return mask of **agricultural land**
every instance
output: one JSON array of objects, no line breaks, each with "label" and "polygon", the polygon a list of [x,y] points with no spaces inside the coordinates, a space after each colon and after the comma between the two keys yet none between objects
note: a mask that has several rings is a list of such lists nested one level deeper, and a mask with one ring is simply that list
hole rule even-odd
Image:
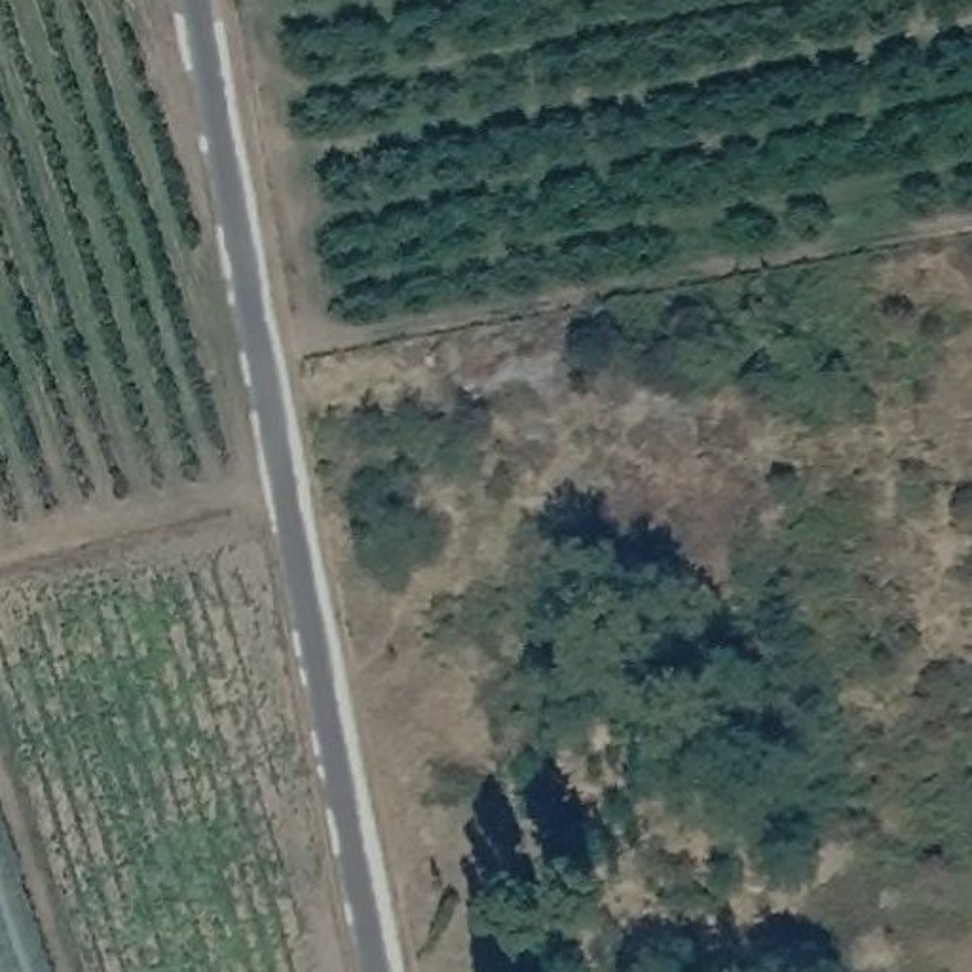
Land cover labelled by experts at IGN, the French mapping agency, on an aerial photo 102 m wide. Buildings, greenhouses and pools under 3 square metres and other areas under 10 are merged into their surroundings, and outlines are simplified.
[{"label": "agricultural land", "polygon": [[323,744],[311,714],[311,683],[304,668],[304,642],[296,630],[292,589],[285,577],[281,528],[273,532],[266,524],[262,509],[251,440],[251,421],[258,418],[254,380],[247,383],[239,376],[213,399],[228,444],[213,448],[209,437],[194,444],[201,459],[197,478],[156,486],[144,497],[114,497],[114,486],[106,494],[91,490],[84,497],[76,505],[57,505],[53,513],[46,513],[38,520],[19,520],[4,516],[0,505],[0,801],[57,972],[361,972],[353,904],[342,877],[342,835],[334,809],[327,801]]}]

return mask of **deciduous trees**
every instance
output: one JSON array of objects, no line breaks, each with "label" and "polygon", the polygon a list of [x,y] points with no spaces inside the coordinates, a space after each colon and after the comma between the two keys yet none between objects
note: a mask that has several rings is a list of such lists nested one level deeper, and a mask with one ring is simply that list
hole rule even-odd
[{"label": "deciduous trees", "polygon": [[[649,80],[661,68],[740,57],[752,46],[778,46],[794,34],[828,38],[869,30],[873,42],[885,42],[907,34],[911,11],[930,15],[938,23],[938,34],[911,38],[907,49],[900,49],[888,61],[877,49],[869,57],[858,57],[854,49],[824,49],[816,57],[759,61],[756,68],[718,72],[699,84],[649,87],[645,99],[589,99],[577,106],[570,99],[573,84],[592,87],[608,76]],[[463,65],[456,65],[452,72],[440,68],[418,76],[387,76],[387,57],[433,53],[448,38],[456,42],[456,49],[463,49]],[[402,186],[418,175],[437,171],[505,171],[528,163],[539,152],[547,156],[551,171],[539,178],[535,197],[528,197],[524,182],[505,182],[497,190],[459,186],[433,190],[429,197],[387,201],[376,213],[342,213],[323,220],[315,228],[315,254],[334,292],[327,315],[342,323],[376,323],[406,311],[478,304],[490,292],[539,292],[558,285],[581,285],[604,273],[638,273],[664,266],[676,258],[676,232],[661,224],[619,224],[608,232],[566,235],[562,243],[547,247],[535,243],[539,232],[592,220],[611,209],[702,205],[714,201],[721,186],[775,190],[786,197],[786,209],[778,213],[767,213],[752,201],[729,205],[725,216],[714,220],[714,239],[721,243],[721,254],[748,254],[816,239],[824,232],[824,220],[832,220],[832,205],[824,197],[828,182],[851,175],[896,171],[896,205],[911,220],[972,209],[972,0],[395,0],[391,8],[380,8],[376,23],[277,34],[281,65],[296,76],[308,76],[315,68],[353,68],[349,84],[308,87],[315,103],[289,122],[292,137],[353,133],[365,125],[376,140],[353,152],[353,167],[334,167],[319,178],[323,201],[349,197],[349,190],[361,182]]]},{"label": "deciduous trees", "polygon": [[99,30],[87,11],[87,0],[0,0],[0,505],[4,516],[19,520],[19,490],[11,482],[8,463],[19,456],[27,456],[34,494],[46,513],[53,513],[57,505],[42,444],[57,433],[72,486],[84,497],[91,490],[106,494],[114,486],[114,497],[144,497],[156,486],[197,478],[201,459],[194,444],[209,437],[213,448],[228,444],[213,399],[205,368],[197,361],[197,338],[190,330],[182,289],[163,247],[156,209],[148,201],[148,186],[129,152],[125,125],[114,110],[114,91],[106,80]]},{"label": "deciduous trees", "polygon": [[133,76],[144,76],[148,68],[125,0],[110,0]]},{"label": "deciduous trees", "polygon": [[748,968],[714,972],[854,972],[854,968],[847,957],[843,957],[824,961],[816,945],[790,942]]},{"label": "deciduous trees", "polygon": [[[699,634],[714,611],[725,611],[721,592],[706,592],[687,577],[672,577],[653,562],[623,566],[608,543],[562,539],[558,562],[547,573],[547,585],[539,589],[547,596],[547,611],[558,634],[554,642],[528,642],[520,653],[520,661],[528,668],[539,668],[543,676],[535,687],[543,718],[535,725],[558,748],[581,752],[592,744],[592,725],[608,725],[611,737],[630,740],[623,786],[611,786],[604,797],[585,801],[589,813],[581,851],[573,851],[570,858],[547,858],[543,866],[535,866],[532,881],[497,869],[482,892],[471,892],[467,934],[494,938],[505,957],[535,953],[547,942],[547,934],[577,938],[581,926],[604,926],[604,904],[604,888],[592,866],[615,862],[623,851],[634,851],[642,885],[661,900],[661,911],[653,919],[691,915],[702,923],[718,923],[718,911],[733,900],[733,888],[740,888],[744,869],[759,869],[767,885],[794,888],[816,873],[824,843],[824,835],[835,824],[847,824],[851,797],[869,797],[877,790],[873,775],[854,775],[851,759],[828,744],[835,729],[828,706],[839,699],[839,695],[824,695],[816,683],[771,683],[771,672],[794,668],[797,649],[813,642],[813,626],[805,626],[794,615],[790,600],[782,596],[782,581],[790,577],[786,566],[767,577],[756,611],[733,615],[733,626],[748,634],[748,642],[759,649],[756,661],[740,661],[733,649],[710,649],[699,672],[657,672],[645,657],[661,638]],[[699,813],[710,820],[737,824],[752,832],[752,843],[737,847],[733,854],[710,851],[702,858],[664,851],[661,839],[638,832],[634,805],[642,797],[664,797],[672,816]]]},{"label": "deciduous trees", "polygon": [[402,592],[410,573],[437,562],[448,539],[448,520],[437,509],[414,505],[421,475],[459,482],[471,471],[478,471],[482,456],[478,437],[490,429],[494,418],[490,410],[456,406],[433,410],[410,391],[383,406],[353,406],[353,440],[391,444],[399,456],[353,471],[342,501],[346,513],[357,566],[380,589]]},{"label": "deciduous trees", "polygon": [[683,972],[683,964],[695,957],[695,945],[687,938],[649,938],[638,949],[623,938],[615,949],[619,972]]},{"label": "deciduous trees", "polygon": [[159,95],[148,87],[140,91],[140,114],[152,129],[163,186],[178,216],[182,239],[197,247],[201,224],[190,205],[186,171],[175,156]]},{"label": "deciduous trees", "polygon": [[57,972],[0,801],[0,972]]}]

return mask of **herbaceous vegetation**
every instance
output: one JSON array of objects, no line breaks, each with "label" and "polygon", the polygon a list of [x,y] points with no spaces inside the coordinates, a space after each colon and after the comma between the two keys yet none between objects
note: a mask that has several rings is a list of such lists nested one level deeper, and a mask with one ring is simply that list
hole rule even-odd
[{"label": "herbaceous vegetation", "polygon": [[972,311],[972,266],[957,270],[949,254],[911,254],[877,266],[877,289],[885,296],[896,292],[915,304],[945,300],[953,308]]},{"label": "herbaceous vegetation", "polygon": [[683,972],[714,972],[748,968],[790,942],[816,945],[824,961],[843,957],[828,926],[794,915],[809,900],[809,892],[828,885],[851,862],[851,843],[824,843],[816,873],[794,888],[767,885],[759,869],[744,869],[740,888],[733,888],[733,900],[718,911],[718,923],[702,923],[691,915],[653,919],[661,911],[661,900],[642,885],[634,851],[623,851],[615,862],[592,866],[604,888],[604,904],[615,915],[630,919],[623,938],[638,949],[649,938],[687,938],[695,945],[695,957],[683,964]]},{"label": "herbaceous vegetation", "polygon": [[869,57],[877,49],[888,61],[900,49],[907,49],[911,38],[938,34],[938,23],[930,15],[911,11],[907,34],[885,42],[873,42],[869,30],[828,38],[794,34],[778,46],[752,46],[740,57],[661,68],[649,80],[608,76],[592,87],[573,84],[570,99],[577,106],[589,99],[645,99],[649,87],[699,84],[718,72],[756,68],[759,61],[816,57],[824,49],[854,49],[858,57]]},{"label": "herbaceous vegetation", "polygon": [[657,672],[699,672],[710,649],[733,649],[740,661],[756,661],[759,649],[748,642],[748,634],[733,626],[733,615],[725,611],[714,611],[699,634],[661,638],[645,657]]},{"label": "herbaceous vegetation", "polygon": [[19,490],[19,520],[38,520],[46,513],[34,494],[27,456],[19,456],[8,463],[11,482]]},{"label": "herbaceous vegetation", "polygon": [[[729,205],[752,201],[767,213],[778,213],[786,209],[786,197],[775,190],[721,186],[714,201],[702,205],[611,209],[592,220],[539,232],[535,243],[547,247],[562,243],[566,235],[608,232],[619,224],[661,224],[676,232],[676,258],[664,266],[638,273],[604,273],[581,285],[558,285],[539,292],[490,292],[478,304],[406,311],[376,323],[342,323],[327,315],[334,292],[315,254],[315,228],[323,220],[342,213],[376,213],[387,201],[429,197],[433,190],[459,186],[497,190],[505,182],[524,182],[528,197],[535,197],[539,178],[551,171],[547,156],[539,152],[528,163],[505,171],[437,171],[418,175],[402,186],[361,182],[349,190],[349,197],[323,201],[319,178],[334,167],[353,167],[353,152],[376,140],[365,125],[353,133],[292,137],[289,122],[315,103],[308,87],[349,84],[353,68],[315,68],[308,76],[296,76],[281,65],[277,34],[376,23],[380,8],[391,8],[395,0],[209,0],[213,27],[228,23],[239,118],[270,258],[273,308],[281,323],[300,418],[319,406],[353,406],[383,406],[410,391],[433,410],[456,406],[459,387],[471,395],[486,395],[505,383],[532,383],[543,395],[543,410],[494,418],[490,429],[513,444],[547,444],[554,456],[543,471],[520,471],[509,497],[486,494],[490,475],[497,467],[497,452],[482,456],[478,471],[471,471],[459,482],[421,475],[414,505],[437,509],[448,520],[448,539],[437,562],[410,573],[402,592],[380,589],[357,566],[346,513],[334,501],[323,501],[319,494],[311,497],[406,972],[585,972],[577,938],[547,934],[547,942],[535,953],[505,957],[494,938],[467,934],[471,892],[482,892],[497,869],[532,881],[535,866],[543,866],[547,858],[570,858],[573,851],[581,851],[589,813],[585,801],[604,797],[611,786],[623,786],[630,740],[611,737],[608,725],[592,725],[592,744],[581,752],[558,748],[558,759],[551,759],[524,790],[516,786],[505,794],[497,778],[490,778],[490,725],[482,706],[475,702],[475,691],[482,680],[494,676],[494,664],[475,645],[440,649],[437,642],[425,642],[425,611],[437,592],[463,592],[471,581],[505,581],[505,551],[528,509],[539,509],[539,532],[547,539],[562,539],[608,543],[623,566],[653,562],[672,577],[687,577],[706,592],[721,592],[729,577],[729,543],[740,539],[740,520],[759,516],[763,535],[775,535],[778,520],[786,516],[775,501],[767,467],[805,467],[816,459],[816,444],[832,440],[839,463],[847,471],[858,467],[866,482],[873,482],[877,490],[877,547],[888,551],[888,566],[907,577],[919,623],[919,645],[896,657],[892,676],[843,687],[839,695],[839,699],[843,706],[858,706],[866,721],[892,725],[915,702],[923,664],[938,657],[972,661],[972,543],[968,535],[953,535],[953,513],[945,494],[934,494],[926,516],[896,516],[896,475],[930,467],[934,478],[972,482],[972,327],[964,334],[945,338],[945,365],[938,365],[930,395],[923,402],[911,399],[907,406],[881,406],[873,425],[847,425],[824,433],[813,433],[801,421],[775,421],[767,414],[767,402],[740,395],[737,387],[714,399],[672,399],[638,387],[619,368],[608,368],[596,380],[589,380],[585,391],[573,391],[562,353],[566,330],[581,315],[585,296],[596,296],[604,289],[729,273],[759,266],[767,258],[775,266],[786,266],[797,258],[820,258],[828,251],[858,243],[900,243],[911,235],[972,232],[972,209],[911,220],[896,205],[896,171],[851,175],[828,182],[824,197],[832,205],[832,220],[824,220],[824,232],[816,239],[748,254],[721,254],[721,243],[714,239],[714,220],[725,216]],[[456,805],[421,805],[421,794],[433,786],[433,759],[471,763],[486,775],[471,816]],[[440,934],[437,953],[418,957],[437,896],[444,888],[456,888],[452,919]]]},{"label": "herbaceous vegetation", "polygon": [[[224,300],[228,281],[220,277],[213,243],[213,228],[220,224],[182,0],[125,0],[148,68],[144,76],[133,76],[110,0],[87,0],[87,11],[99,30],[106,80],[114,91],[114,110],[125,125],[129,152],[148,186],[148,201],[156,209],[163,247],[182,289],[190,330],[197,338],[197,361],[205,368],[213,399],[239,376],[239,361],[247,361],[247,342],[235,300]],[[175,156],[186,171],[190,205],[201,224],[197,247],[182,239],[178,216],[163,186],[152,129],[140,114],[140,91],[148,87],[159,95]]]},{"label": "herbaceous vegetation", "polygon": [[84,497],[72,486],[57,433],[42,444],[57,505],[76,505]]},{"label": "herbaceous vegetation", "polygon": [[896,949],[881,934],[866,934],[847,957],[854,968],[888,968],[896,964]]},{"label": "herbaceous vegetation", "polygon": [[737,847],[752,843],[752,832],[737,824],[710,820],[699,813],[672,816],[664,797],[642,797],[634,805],[638,832],[661,839],[664,851],[702,858],[710,851],[733,854]]},{"label": "herbaceous vegetation", "polygon": [[387,57],[387,76],[418,76],[440,68],[452,72],[456,65],[463,65],[463,49],[456,49],[456,42],[448,38],[433,53]]}]

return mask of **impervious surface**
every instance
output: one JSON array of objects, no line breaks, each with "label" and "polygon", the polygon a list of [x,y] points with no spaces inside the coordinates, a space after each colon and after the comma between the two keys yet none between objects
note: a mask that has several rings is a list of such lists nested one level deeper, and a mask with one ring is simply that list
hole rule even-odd
[{"label": "impervious surface", "polygon": [[254,247],[224,110],[213,27],[209,0],[182,0],[220,224],[232,254],[235,300],[247,342],[247,361],[239,361],[239,376],[247,383],[254,380],[258,418],[281,528],[285,577],[292,589],[296,630],[304,642],[304,668],[311,683],[311,714],[323,744],[327,801],[334,809],[342,835],[342,877],[353,904],[361,972],[387,972],[372,877],[361,843],[357,797],[334,702],[330,653],[296,501],[281,387],[262,319]]}]

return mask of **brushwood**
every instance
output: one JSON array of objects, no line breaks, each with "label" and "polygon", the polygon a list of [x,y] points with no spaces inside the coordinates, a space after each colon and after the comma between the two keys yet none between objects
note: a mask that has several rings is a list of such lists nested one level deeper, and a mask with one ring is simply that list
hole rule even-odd
[{"label": "brushwood", "polygon": [[300,418],[311,467],[311,497],[319,494],[323,501],[334,501],[346,513],[342,501],[353,471],[399,456],[391,444],[353,440],[353,406],[319,406]]},{"label": "brushwood", "polygon": [[543,471],[554,456],[547,444],[513,444],[490,429],[478,437],[482,456],[497,452],[497,467],[490,475],[486,494],[509,497],[520,471]]},{"label": "brushwood", "polygon": [[828,706],[835,729],[828,744],[851,759],[854,775],[873,775],[877,790],[869,797],[851,797],[847,824],[835,824],[824,835],[824,843],[851,843],[851,862],[828,885],[809,892],[809,900],[794,915],[828,926],[843,957],[847,957],[866,934],[881,934],[896,949],[896,964],[888,968],[854,968],[854,972],[972,972],[972,661],[938,657],[923,664],[915,702],[892,725],[866,721],[858,706],[843,706],[839,699]]},{"label": "brushwood", "polygon": [[456,805],[471,816],[486,775],[471,763],[433,759],[433,786],[421,794],[421,805]]},{"label": "brushwood", "polygon": [[630,919],[615,915],[604,904],[604,926],[581,926],[577,938],[585,972],[619,972],[615,949],[623,938]]},{"label": "brushwood", "polygon": [[543,395],[532,383],[505,383],[486,395],[471,395],[459,387],[456,406],[490,410],[494,418],[543,410]]},{"label": "brushwood", "polygon": [[805,467],[767,467],[775,501],[786,516],[778,520],[775,535],[763,535],[759,516],[740,520],[740,539],[729,543],[729,577],[721,592],[725,611],[733,615],[756,611],[767,577],[786,566],[790,577],[782,581],[782,596],[790,600],[794,615],[805,626],[813,626],[813,642],[797,649],[794,668],[771,672],[771,683],[816,683],[824,695],[839,695],[843,687],[892,676],[896,657],[919,645],[919,623],[907,577],[888,566],[888,551],[877,547],[877,490],[873,482],[866,482],[858,467],[847,471],[839,463],[832,440],[816,444],[816,459]]},{"label": "brushwood", "polygon": [[934,478],[930,467],[896,475],[896,516],[926,516],[934,494],[945,494],[953,513],[953,535],[968,535],[972,543],[972,482]]},{"label": "brushwood", "polygon": [[828,251],[820,258],[797,258],[786,266],[775,266],[767,258],[759,266],[729,273],[604,289],[596,296],[585,296],[581,315],[566,330],[562,353],[573,391],[585,391],[589,380],[596,380],[608,368],[619,368],[638,387],[672,399],[714,399],[737,387],[740,395],[767,402],[767,414],[775,421],[801,421],[813,433],[824,433],[847,425],[873,425],[881,406],[907,406],[911,399],[923,402],[930,395],[938,365],[945,365],[945,338],[964,334],[972,327],[972,311],[953,308],[945,300],[915,304],[896,292],[885,296],[877,289],[877,266],[911,254],[949,254],[957,270],[972,266],[972,232],[911,235],[900,243],[858,243]]},{"label": "brushwood", "polygon": [[440,934],[452,919],[456,888],[444,888],[437,896],[418,957],[437,953]]},{"label": "brushwood", "polygon": [[471,581],[463,592],[437,592],[425,611],[425,642],[437,642],[440,649],[475,645],[494,664],[494,676],[482,680],[475,691],[475,702],[482,706],[490,725],[490,778],[497,778],[505,794],[516,786],[524,790],[551,759],[558,759],[558,748],[535,725],[543,718],[535,687],[543,676],[539,668],[528,668],[520,661],[520,653],[528,642],[554,642],[558,634],[547,611],[547,596],[539,589],[547,585],[547,573],[558,562],[562,539],[547,539],[539,532],[539,509],[528,509],[505,551],[505,581]]}]

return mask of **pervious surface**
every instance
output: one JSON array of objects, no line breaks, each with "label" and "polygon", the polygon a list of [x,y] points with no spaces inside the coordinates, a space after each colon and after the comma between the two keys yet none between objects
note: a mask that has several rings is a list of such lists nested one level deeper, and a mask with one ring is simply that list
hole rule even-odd
[{"label": "pervious surface", "polygon": [[258,418],[251,421],[251,440],[262,509],[266,524],[273,532],[281,528]]},{"label": "pervious surface", "polygon": [[330,653],[334,702],[357,797],[361,843],[372,877],[387,972],[406,972],[311,497],[311,467],[300,418],[281,323],[273,308],[270,258],[239,118],[228,23],[213,27],[224,110],[254,247],[262,319],[281,387],[296,501]]},{"label": "pervious surface", "polygon": [[213,228],[213,243],[220,277],[228,281],[224,300],[235,300],[232,254],[220,224]]}]

